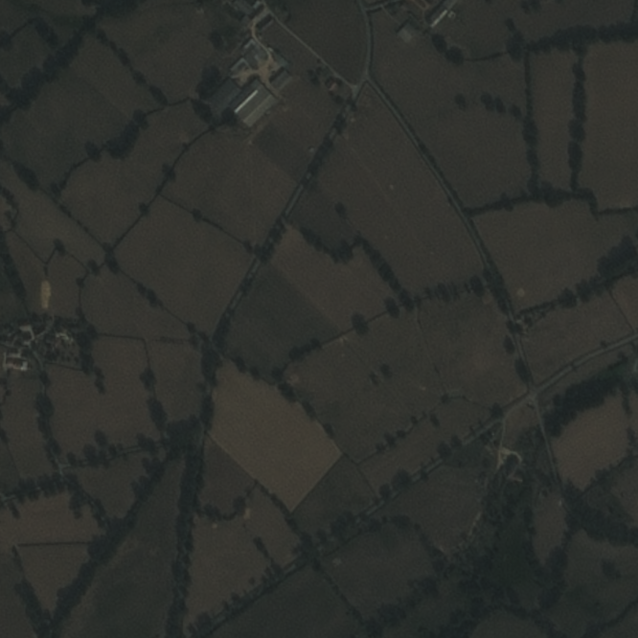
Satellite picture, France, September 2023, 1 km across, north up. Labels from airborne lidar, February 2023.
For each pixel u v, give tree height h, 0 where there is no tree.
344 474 0
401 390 0
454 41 0
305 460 0
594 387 13
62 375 0
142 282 0
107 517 0
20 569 20
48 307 0
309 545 21
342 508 0
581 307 0
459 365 0
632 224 0
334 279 0
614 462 0
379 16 0
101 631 0
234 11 0
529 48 10
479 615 19
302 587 0
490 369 0
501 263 0
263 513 0
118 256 0
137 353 0
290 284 0
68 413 0
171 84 0
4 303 0
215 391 0
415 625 0
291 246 0
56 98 0
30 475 0
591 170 0
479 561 16
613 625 6
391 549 0
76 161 0
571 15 0
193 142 0
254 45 0
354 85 0
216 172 0
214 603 0
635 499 0
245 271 0
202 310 0
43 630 20
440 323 0
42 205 0
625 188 0
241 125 0
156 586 0
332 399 0
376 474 0
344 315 0
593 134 0
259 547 13
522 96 0
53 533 0
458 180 0
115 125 0
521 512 0
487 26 0
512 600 20
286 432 0
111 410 0
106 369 0
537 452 0
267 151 0
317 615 0
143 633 0
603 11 0
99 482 0
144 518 0
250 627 0
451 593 0
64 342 7
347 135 0
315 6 0
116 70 0
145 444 19
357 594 0
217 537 0
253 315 0
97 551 19
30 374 0
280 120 0
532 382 0
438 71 0
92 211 0
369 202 0
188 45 0
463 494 0
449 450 15
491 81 0
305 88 0
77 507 16
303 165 0
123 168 0
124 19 0
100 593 0
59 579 0
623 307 0
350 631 0
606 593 0
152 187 0
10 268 16
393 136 0
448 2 0
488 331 0
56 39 18
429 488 0
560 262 0
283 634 0
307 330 0
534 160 16
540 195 21
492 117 0
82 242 0
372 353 0
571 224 0
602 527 20
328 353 0
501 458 0
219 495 0
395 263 0
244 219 0
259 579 0
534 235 0
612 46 0
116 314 0
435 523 0
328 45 0
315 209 0
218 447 0
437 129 0
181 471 0
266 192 0
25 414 0
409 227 0
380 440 0
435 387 0
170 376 0
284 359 0
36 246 0
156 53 0
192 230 0
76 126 0
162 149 0
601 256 0
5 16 0
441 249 0
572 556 0
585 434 0
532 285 0
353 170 0
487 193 0
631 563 0
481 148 0
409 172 0
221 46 11
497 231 0
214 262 0
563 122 0
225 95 0
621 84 0
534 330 0
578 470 0
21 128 0
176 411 0
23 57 0
